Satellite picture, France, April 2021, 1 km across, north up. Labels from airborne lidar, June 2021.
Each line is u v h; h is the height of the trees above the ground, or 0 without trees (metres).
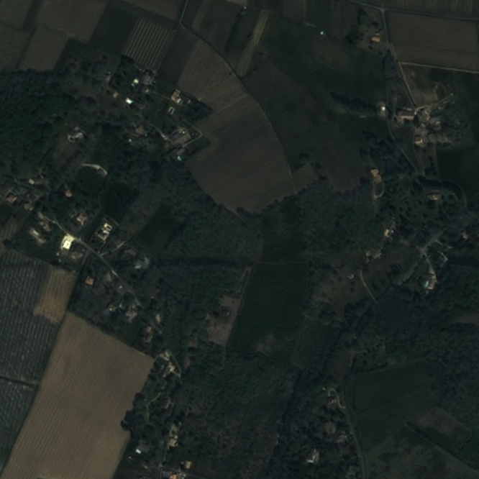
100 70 16
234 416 12
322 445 20
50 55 0
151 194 26
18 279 15
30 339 16
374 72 0
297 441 15
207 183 0
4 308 15
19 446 0
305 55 0
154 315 15
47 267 10
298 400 21
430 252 13
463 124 7
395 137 0
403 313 16
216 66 0
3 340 14
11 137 24
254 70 7
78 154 13
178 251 19
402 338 20
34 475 0
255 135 0
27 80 18
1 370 14
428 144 5
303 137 0
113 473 0
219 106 0
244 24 0
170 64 0
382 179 20
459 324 0
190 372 16
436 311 22
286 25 0
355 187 0
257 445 7
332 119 0
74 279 0
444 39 0
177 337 18
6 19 0
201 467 0
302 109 0
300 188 0
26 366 15
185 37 0
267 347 0
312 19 0
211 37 0
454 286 22
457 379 18
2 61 0
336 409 0
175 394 17
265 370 12
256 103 0
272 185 0
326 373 15
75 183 5
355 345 15
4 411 15
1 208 0
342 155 0
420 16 0
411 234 15
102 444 0
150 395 0
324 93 0
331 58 0
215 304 7
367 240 21
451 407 19
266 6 0
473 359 19
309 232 25
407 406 0
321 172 16
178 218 17
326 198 22
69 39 0
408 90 0
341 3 0
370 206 22
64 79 17
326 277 22
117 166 11
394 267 0
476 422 13
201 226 26
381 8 0
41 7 0
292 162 0
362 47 0
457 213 16
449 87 0
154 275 18
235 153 0
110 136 26
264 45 0
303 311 8
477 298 23
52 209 16
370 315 16
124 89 0
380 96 0
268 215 7
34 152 23
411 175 13
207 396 13
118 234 11
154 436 13
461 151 0
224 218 24
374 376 0
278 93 0
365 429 0
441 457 0
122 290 0
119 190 0
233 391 9
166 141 6
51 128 21
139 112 10
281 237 8
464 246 11
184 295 18
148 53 0
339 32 0
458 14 0
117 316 12
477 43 0
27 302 15
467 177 0
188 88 0
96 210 13
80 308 24
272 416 6
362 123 0
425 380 0
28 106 24
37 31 0
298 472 10
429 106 0
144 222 21
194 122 9
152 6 0
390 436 0
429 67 0
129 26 0
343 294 0
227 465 7
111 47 0
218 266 18
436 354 18
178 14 0
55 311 0
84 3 0
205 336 17
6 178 13
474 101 0
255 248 18
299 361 0
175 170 20
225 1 0
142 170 25
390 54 7
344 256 0
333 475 20
